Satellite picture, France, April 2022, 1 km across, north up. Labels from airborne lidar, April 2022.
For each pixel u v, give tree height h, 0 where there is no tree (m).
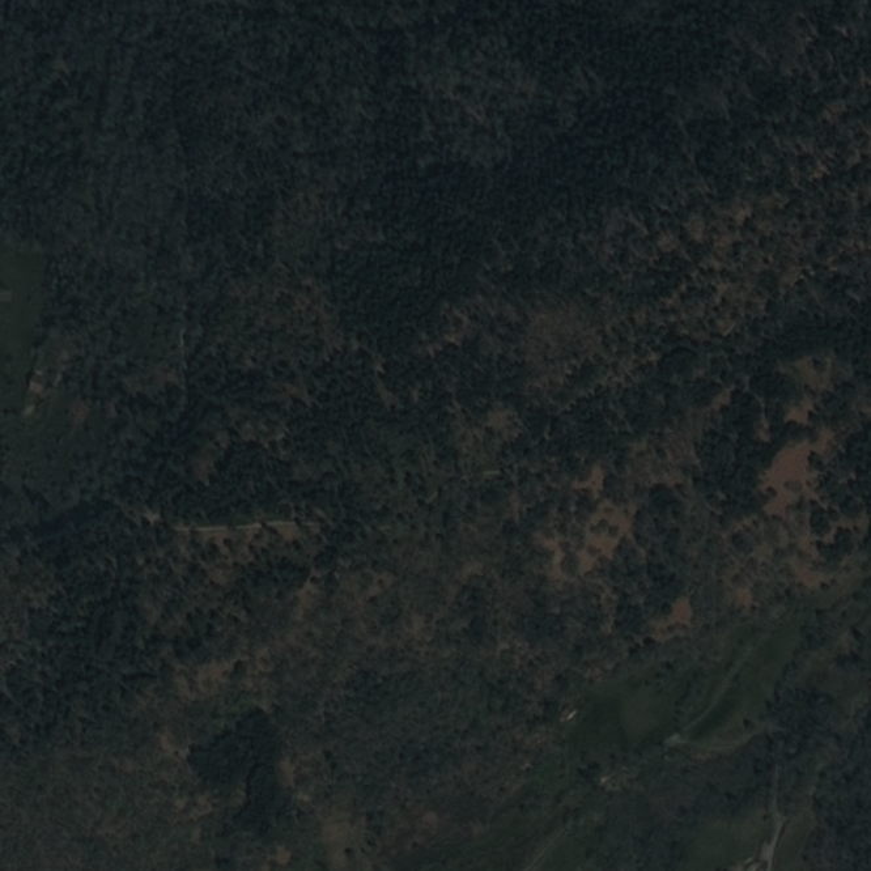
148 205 20
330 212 17
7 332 0
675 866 16
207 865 7
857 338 27
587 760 20
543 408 19
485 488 26
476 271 13
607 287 18
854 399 26
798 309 29
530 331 22
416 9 23
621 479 13
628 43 16
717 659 17
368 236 20
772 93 8
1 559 22
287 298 11
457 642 8
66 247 24
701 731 0
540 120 16
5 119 16
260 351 9
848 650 0
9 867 17
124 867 19
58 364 9
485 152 27
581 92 23
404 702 13
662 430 16
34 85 15
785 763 19
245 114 15
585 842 9
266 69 27
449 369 24
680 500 18
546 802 23
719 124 13
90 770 18
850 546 28
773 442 10
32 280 0
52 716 29
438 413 23
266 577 14
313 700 27
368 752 20
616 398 23
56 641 26
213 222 19
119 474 9
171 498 22
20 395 0
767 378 21
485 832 0
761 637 25
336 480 23
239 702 16
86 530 24
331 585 19
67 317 17
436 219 20
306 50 27
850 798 16
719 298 30
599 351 21
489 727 8
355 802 8
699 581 9
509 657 7
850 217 33
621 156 24
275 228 15
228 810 9
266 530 16
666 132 17
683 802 19
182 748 19
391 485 18
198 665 16
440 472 25
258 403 23
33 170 18
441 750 23
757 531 16
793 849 0
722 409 15
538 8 19
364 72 30
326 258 10
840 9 7
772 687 0
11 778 16
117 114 27
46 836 16
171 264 10
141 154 25
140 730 21
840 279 30
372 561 19
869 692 0
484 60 25
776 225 8
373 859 0
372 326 17
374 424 24
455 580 23
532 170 19
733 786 18
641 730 0
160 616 32
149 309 8
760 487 10
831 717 19
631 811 21
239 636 20
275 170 20
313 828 15
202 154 16
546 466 20
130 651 34
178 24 17
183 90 16
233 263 20
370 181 22
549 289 21
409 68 35
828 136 32
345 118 29
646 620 21
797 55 19
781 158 16
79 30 22
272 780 38
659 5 24
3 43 14
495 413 24
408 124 23
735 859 0
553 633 19
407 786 19
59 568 13
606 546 0
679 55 15
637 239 27
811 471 12
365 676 15
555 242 17
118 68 23
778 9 21
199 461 24
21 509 6
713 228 9
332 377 25
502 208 21
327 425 18
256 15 10
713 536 7
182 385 9
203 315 16
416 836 0
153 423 14
